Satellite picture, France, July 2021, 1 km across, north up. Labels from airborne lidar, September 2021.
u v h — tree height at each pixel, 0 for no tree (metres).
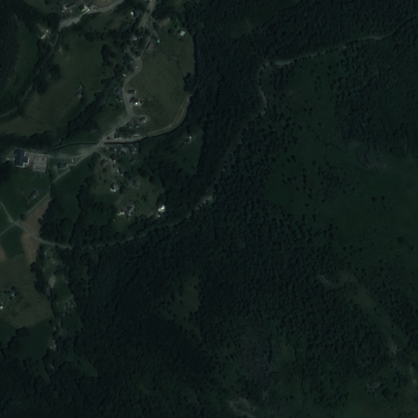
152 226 15
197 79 21
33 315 0
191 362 24
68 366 12
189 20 28
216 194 19
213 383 17
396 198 0
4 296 0
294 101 0
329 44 20
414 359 0
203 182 23
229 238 15
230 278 20
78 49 0
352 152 0
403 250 0
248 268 18
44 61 18
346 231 0
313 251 16
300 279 12
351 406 0
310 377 6
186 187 11
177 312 0
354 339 6
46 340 0
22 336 21
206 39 14
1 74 29
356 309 7
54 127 0
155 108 0
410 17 20
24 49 0
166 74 0
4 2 21
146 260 26
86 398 32
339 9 24
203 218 10
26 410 27
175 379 9
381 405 0
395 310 8
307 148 0
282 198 0
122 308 29
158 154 14
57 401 34
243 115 19
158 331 26
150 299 21
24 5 15
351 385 0
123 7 20
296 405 0
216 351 9
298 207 0
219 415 7
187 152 0
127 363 15
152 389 10
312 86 0
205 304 19
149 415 18
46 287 12
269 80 0
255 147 15
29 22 12
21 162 0
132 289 29
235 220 12
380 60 13
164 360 16
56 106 0
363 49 11
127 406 20
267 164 17
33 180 0
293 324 22
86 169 0
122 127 10
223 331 13
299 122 0
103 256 12
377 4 28
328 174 8
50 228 27
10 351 24
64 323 9
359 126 6
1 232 0
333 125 0
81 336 20
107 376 27
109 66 15
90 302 9
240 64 13
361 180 0
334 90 11
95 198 10
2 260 0
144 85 0
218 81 15
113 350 17
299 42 24
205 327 19
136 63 0
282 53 18
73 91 0
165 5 14
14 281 0
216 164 24
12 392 25
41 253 8
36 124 0
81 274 8
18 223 0
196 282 0
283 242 12
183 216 13
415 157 7
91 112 17
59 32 9
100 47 0
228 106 20
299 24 22
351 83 12
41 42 15
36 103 0
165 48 0
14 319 0
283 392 0
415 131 10
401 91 9
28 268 0
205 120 6
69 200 0
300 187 0
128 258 13
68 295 0
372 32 13
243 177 16
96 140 0
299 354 15
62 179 0
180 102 0
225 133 21
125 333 18
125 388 20
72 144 0
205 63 25
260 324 7
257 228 9
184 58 0
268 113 9
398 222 0
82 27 16
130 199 0
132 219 0
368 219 0
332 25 21
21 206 0
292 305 18
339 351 19
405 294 8
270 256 10
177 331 22
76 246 19
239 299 15
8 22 25
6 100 9
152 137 11
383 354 18
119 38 17
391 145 9
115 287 15
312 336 10
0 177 33
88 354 17
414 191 0
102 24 0
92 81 0
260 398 6
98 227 14
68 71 0
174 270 24
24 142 20
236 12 14
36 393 22
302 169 0
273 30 13
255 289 18
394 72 10
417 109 9
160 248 27
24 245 0
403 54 13
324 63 10
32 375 16
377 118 11
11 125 0
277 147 20
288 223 14
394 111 11
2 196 0
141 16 13
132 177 9
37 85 9
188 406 9
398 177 0
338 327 12
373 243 7
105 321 11
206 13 21
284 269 17
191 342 16
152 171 11
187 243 17
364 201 0
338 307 6
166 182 30
